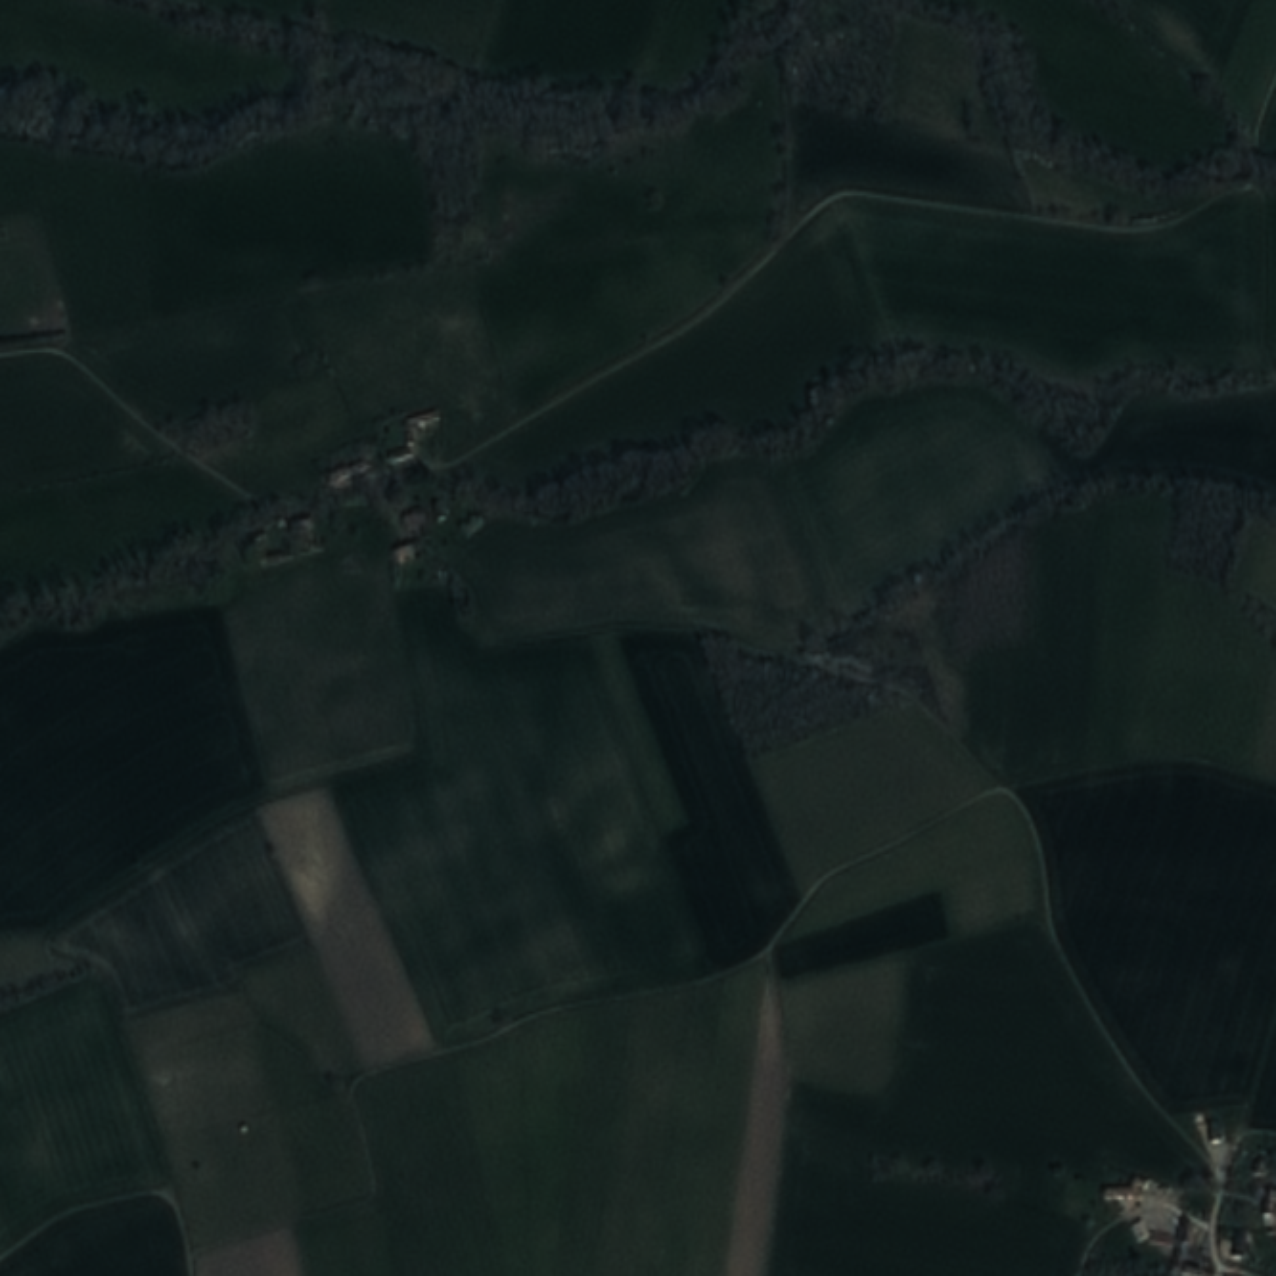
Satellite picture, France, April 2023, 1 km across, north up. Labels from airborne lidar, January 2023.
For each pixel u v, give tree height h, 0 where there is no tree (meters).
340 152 0
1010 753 0
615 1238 0
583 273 0
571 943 0
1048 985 0
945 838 0
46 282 0
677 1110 0
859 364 20
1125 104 0
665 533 0
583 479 24
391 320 0
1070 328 0
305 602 0
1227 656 0
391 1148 0
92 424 0
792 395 0
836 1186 0
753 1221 0
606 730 0
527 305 0
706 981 0
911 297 0
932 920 0
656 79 0
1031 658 0
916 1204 0
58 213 0
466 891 0
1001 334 0
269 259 0
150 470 7
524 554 0
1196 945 0
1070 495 18
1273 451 0
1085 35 0
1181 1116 0
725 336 0
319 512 13
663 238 0
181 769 0
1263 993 0
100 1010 0
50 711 0
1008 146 7
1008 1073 0
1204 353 0
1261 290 0
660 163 0
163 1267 0
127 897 0
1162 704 0
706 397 0
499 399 0
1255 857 0
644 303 0
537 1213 0
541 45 0
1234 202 0
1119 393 13
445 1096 0
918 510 0
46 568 0
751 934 0
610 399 0
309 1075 0
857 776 0
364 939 0
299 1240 0
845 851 0
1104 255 0
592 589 0
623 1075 0
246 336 0
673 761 0
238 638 0
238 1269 0
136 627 0
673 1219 0
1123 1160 0
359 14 0
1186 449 0
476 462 0
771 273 0
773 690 10
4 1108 0
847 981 0
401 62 20
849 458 0
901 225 0
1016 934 0
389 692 0
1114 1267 6
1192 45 0
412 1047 0
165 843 0
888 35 23
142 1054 0
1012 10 0
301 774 0
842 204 0
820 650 14
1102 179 15
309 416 0
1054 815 0
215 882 0
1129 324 0
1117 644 0
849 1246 0
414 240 0
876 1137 0
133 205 0
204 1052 0
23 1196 0
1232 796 0
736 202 0
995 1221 0
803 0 24
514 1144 0
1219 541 15
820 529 0
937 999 0
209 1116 0
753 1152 0
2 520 0
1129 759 0
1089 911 0
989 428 0
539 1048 0
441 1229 0
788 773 0
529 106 27
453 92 16
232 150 6
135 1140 0
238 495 0
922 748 0
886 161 0
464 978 0
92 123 7
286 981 0
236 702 0
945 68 0
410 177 0
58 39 0
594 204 0
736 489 0
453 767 0
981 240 0
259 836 0
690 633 0
